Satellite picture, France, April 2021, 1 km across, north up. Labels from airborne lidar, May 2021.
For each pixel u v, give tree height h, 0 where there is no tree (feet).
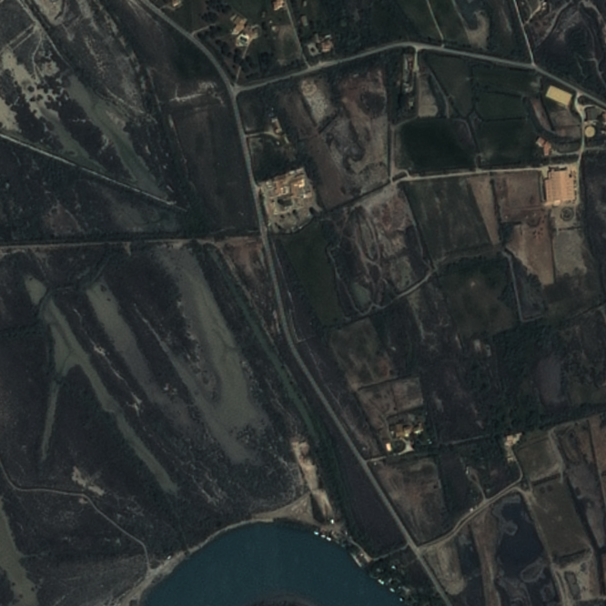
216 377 0
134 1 0
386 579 31
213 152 0
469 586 0
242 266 0
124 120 0
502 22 0
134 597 0
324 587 0
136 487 0
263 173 0
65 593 0
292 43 0
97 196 0
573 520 0
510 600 0
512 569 0
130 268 0
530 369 0
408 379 0
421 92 0
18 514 0
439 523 0
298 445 0
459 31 0
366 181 0
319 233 0
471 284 0
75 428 0
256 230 18
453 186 0
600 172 0
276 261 0
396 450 25
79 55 0
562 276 0
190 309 0
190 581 0
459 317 0
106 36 0
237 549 0
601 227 0
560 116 0
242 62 27
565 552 0
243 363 0
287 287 0
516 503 0
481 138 0
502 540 0
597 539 0
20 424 0
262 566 0
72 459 0
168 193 0
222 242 0
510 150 0
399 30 0
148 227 0
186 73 0
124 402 0
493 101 0
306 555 0
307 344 0
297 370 0
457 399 0
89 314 0
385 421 0
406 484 0
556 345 20
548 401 0
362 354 0
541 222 0
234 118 0
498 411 29
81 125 0
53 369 19
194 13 0
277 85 22
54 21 0
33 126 0
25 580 0
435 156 0
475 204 0
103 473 0
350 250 0
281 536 0
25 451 0
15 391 0
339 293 0
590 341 0
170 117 0
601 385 0
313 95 0
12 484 0
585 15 0
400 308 0
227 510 0
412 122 0
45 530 0
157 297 0
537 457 0
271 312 0
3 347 0
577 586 0
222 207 0
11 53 0
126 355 0
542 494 0
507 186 0
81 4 0
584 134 0
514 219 0
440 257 0
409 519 0
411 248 0
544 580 0
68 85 0
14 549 0
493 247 0
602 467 0
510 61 0
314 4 0
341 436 0
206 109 0
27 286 0
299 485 0
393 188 0
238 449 0
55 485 0
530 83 0
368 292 0
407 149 0
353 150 0
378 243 0
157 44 0
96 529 0
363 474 0
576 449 0
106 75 0
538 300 0
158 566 0
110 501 0
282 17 0
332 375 0
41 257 0
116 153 0
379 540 0
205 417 0
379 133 0
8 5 0
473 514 0
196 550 0
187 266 0
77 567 0
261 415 0
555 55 0
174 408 0
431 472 0
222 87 0
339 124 0
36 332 20
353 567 0
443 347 0
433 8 0
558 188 0
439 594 18
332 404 0
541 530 0
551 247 0
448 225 0
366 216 0
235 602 0
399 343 0
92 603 0
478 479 0
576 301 0
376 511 0
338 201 0
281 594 0
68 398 0
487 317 0
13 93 0
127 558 0
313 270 0
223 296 0
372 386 0
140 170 0
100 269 20
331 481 20
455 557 0
